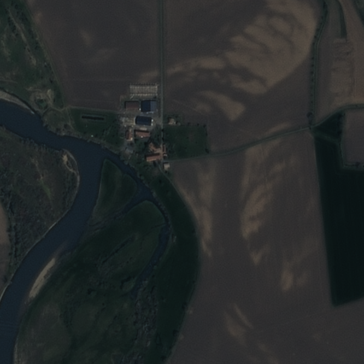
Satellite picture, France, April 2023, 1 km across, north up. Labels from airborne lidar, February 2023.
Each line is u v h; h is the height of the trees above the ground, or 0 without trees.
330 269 0
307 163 0
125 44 0
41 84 0
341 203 0
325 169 0
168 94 0
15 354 0
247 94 0
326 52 0
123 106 0
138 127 0
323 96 0
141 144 6
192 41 0
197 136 0
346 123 0
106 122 0
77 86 0
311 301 0
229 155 0
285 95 0
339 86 0
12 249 6
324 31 0
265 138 0
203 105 0
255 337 0
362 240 0
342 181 0
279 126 0
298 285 0
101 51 0
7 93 0
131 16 0
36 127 0
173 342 0
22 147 0
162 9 0
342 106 0
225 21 0
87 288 0
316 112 0
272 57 0
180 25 0
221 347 0
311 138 0
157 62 0
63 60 0
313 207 0
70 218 0
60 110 0
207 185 0
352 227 0
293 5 0
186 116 0
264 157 0
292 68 0
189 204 0
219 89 0
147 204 0
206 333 0
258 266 0
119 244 0
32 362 0
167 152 12
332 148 0
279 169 0
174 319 0
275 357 0
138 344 0
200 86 0
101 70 0
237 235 0
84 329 0
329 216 0
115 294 0
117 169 0
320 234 0
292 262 0
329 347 0
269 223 0
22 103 0
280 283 0
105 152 0
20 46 0
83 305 0
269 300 0
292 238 0
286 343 0
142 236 0
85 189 0
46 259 0
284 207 0
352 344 0
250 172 0
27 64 0
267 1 0
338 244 0
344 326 0
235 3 0
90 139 14
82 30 0
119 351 0
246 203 0
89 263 0
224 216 0
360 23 0
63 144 0
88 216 0
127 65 0
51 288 0
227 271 0
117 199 0
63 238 0
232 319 0
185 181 0
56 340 0
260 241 0
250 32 0
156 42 0
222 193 0
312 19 0
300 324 0
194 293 0
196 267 0
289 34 0
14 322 0
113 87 0
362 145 0
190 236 0
